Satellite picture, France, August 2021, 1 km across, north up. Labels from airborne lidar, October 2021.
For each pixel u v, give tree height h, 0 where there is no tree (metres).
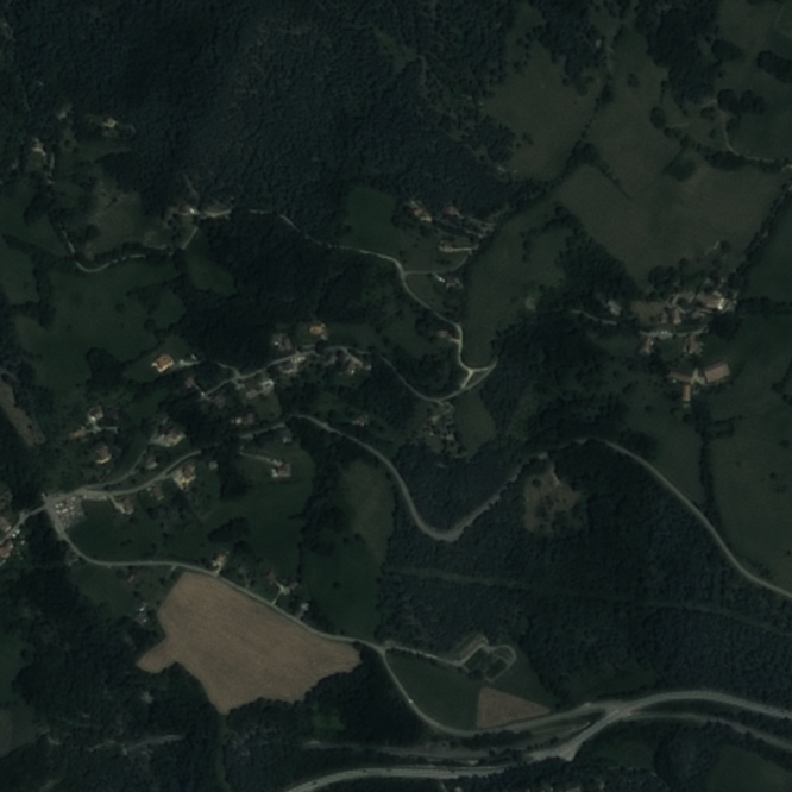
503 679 0
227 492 14
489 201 11
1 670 0
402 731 14
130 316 0
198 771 15
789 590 0
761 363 0
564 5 17
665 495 15
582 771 23
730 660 16
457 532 0
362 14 12
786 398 11
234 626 0
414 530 10
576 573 8
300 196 13
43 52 18
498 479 15
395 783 14
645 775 14
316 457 14
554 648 11
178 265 13
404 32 13
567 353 26
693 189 0
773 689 15
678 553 15
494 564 10
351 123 18
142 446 0
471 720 0
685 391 0
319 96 7
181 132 12
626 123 0
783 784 0
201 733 13
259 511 0
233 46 12
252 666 0
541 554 12
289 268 15
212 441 17
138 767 9
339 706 13
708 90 14
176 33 18
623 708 0
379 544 0
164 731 13
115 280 0
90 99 5
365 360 14
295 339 9
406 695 0
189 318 12
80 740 13
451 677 0
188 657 0
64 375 0
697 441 0
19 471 12
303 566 9
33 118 12
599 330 13
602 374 7
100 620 10
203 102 15
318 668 0
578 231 10
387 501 0
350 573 0
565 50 11
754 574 0
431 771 0
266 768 13
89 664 13
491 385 12
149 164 15
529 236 6
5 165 10
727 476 0
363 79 19
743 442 0
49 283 12
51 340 0
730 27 0
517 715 0
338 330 0
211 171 11
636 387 8
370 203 0
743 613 11
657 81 0
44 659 13
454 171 12
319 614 16
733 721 17
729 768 0
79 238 8
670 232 0
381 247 0
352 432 19
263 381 0
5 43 12
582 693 0
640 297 11
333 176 10
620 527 21
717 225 0
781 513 0
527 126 0
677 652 18
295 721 13
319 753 14
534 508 0
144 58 15
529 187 11
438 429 7
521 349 16
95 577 0
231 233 14
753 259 15
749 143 0
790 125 0
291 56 12
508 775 13
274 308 9
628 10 11
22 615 8
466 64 13
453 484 10
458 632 9
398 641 8
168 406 13
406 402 7
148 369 0
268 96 15
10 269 0
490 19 9
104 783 12
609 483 23
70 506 0
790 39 0
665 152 0
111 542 0
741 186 0
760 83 0
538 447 15
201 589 0
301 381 7
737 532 0
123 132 7
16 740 0
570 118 0
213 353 13
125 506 0
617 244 0
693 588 15
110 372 16
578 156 11
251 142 13
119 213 0
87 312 0
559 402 6
